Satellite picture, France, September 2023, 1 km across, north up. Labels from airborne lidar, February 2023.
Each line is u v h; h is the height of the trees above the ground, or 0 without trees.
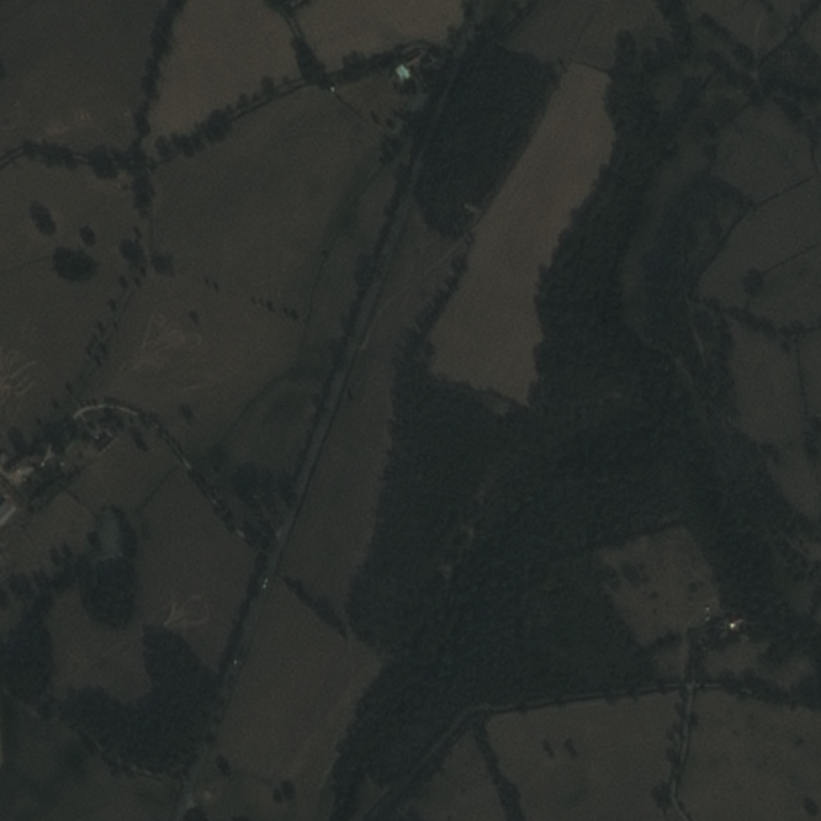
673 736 11
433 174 17
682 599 0
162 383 0
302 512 0
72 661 0
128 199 0
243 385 0
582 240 14
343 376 0
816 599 13
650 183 13
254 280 0
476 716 12
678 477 11
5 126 0
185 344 0
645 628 0
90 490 0
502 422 9
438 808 0
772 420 0
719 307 14
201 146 10
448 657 22
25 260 0
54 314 0
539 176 0
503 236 0
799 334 9
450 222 13
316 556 0
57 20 0
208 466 0
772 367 0
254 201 0
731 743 0
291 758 0
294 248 0
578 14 0
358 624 13
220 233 0
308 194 0
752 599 19
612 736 0
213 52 0
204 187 0
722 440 19
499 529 10
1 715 0
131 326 0
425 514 7
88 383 0
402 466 10
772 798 0
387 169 0
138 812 0
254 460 0
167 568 0
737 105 0
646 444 11
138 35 0
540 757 0
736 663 0
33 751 0
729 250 0
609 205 16
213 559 0
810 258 0
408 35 0
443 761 15
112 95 0
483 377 0
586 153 0
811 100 15
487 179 17
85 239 11
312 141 0
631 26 0
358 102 0
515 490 16
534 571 19
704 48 0
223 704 10
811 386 0
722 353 13
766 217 0
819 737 0
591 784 0
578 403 9
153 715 17
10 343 0
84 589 14
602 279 14
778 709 0
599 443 24
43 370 0
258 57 0
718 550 16
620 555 0
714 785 0
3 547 0
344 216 0
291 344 0
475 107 21
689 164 0
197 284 0
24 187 0
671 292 20
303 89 0
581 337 20
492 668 14
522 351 0
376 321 0
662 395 7
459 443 8
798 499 0
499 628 22
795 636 27
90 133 0
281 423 0
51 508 0
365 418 0
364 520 0
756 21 0
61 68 0
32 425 0
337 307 0
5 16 0
